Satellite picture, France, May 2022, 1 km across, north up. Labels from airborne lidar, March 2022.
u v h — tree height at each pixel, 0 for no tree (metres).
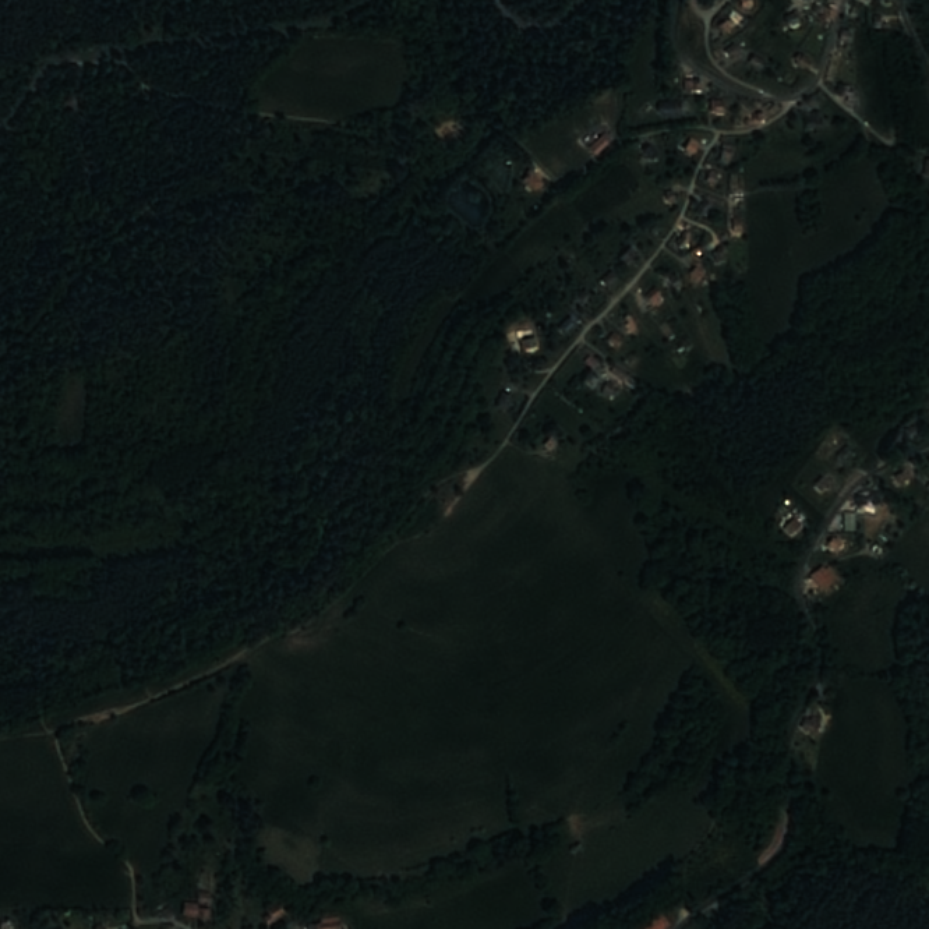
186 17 22
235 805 24
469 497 0
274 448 21
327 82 0
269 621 17
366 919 0
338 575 18
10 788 0
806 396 23
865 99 0
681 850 0
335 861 0
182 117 25
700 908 0
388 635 0
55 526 21
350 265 19
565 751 0
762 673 26
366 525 10
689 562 19
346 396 23
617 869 0
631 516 0
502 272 0
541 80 31
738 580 17
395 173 25
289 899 12
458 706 0
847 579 14
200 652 18
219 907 7
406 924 0
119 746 0
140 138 21
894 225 15
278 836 0
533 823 0
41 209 27
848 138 0
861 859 17
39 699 9
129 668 16
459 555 0
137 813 0
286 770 0
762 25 0
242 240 9
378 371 20
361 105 0
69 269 19
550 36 22
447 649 0
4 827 0
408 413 9
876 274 25
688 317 8
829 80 0
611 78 23
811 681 26
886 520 0
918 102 0
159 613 20
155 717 0
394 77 0
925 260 22
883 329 16
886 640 0
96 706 0
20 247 28
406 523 9
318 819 0
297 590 13
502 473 0
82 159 9
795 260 0
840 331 22
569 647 0
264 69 13
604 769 0
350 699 0
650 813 0
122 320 23
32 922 11
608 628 0
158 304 22
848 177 0
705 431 22
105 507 17
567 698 0
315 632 0
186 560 26
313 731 0
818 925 27
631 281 0
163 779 0
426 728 0
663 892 22
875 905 26
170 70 19
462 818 0
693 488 16
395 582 0
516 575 0
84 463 19
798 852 6
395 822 0
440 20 23
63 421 0
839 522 0
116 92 19
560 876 0
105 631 26
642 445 19
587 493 7
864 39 0
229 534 26
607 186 0
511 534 0
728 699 0
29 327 13
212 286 17
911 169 7
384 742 0
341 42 0
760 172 0
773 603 22
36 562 27
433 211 24
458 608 0
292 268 15
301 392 20
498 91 24
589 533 0
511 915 0
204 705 0
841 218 0
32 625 29
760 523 10
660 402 18
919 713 22
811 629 20
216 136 24
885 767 0
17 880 0
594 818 0
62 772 0
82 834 0
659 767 10
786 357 19
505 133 22
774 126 0
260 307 11
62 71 11
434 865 14
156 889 7
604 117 0
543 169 0
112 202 27
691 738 17
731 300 17
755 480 19
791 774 16
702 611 16
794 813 15
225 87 20
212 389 16
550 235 0
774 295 0
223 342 16
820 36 0
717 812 16
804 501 0
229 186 15
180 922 0
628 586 0
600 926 26
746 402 22
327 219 24
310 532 10
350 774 0
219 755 13
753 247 0
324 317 23
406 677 0
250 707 0
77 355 16
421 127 23
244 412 18
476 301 0
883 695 0
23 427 23
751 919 26
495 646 0
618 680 0
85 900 0
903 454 20
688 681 11
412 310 26
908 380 20
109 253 10
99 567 21
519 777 0
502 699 0
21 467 14
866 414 9
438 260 28
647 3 26
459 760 0
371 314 20
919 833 23
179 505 28
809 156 5
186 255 21
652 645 0
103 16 25
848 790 0
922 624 25
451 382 18
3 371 9
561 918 7
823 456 0
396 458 16
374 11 15
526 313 13
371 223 17
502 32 17
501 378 0
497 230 20
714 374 12
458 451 8
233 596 12
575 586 0
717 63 0
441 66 21
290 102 0
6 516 22
